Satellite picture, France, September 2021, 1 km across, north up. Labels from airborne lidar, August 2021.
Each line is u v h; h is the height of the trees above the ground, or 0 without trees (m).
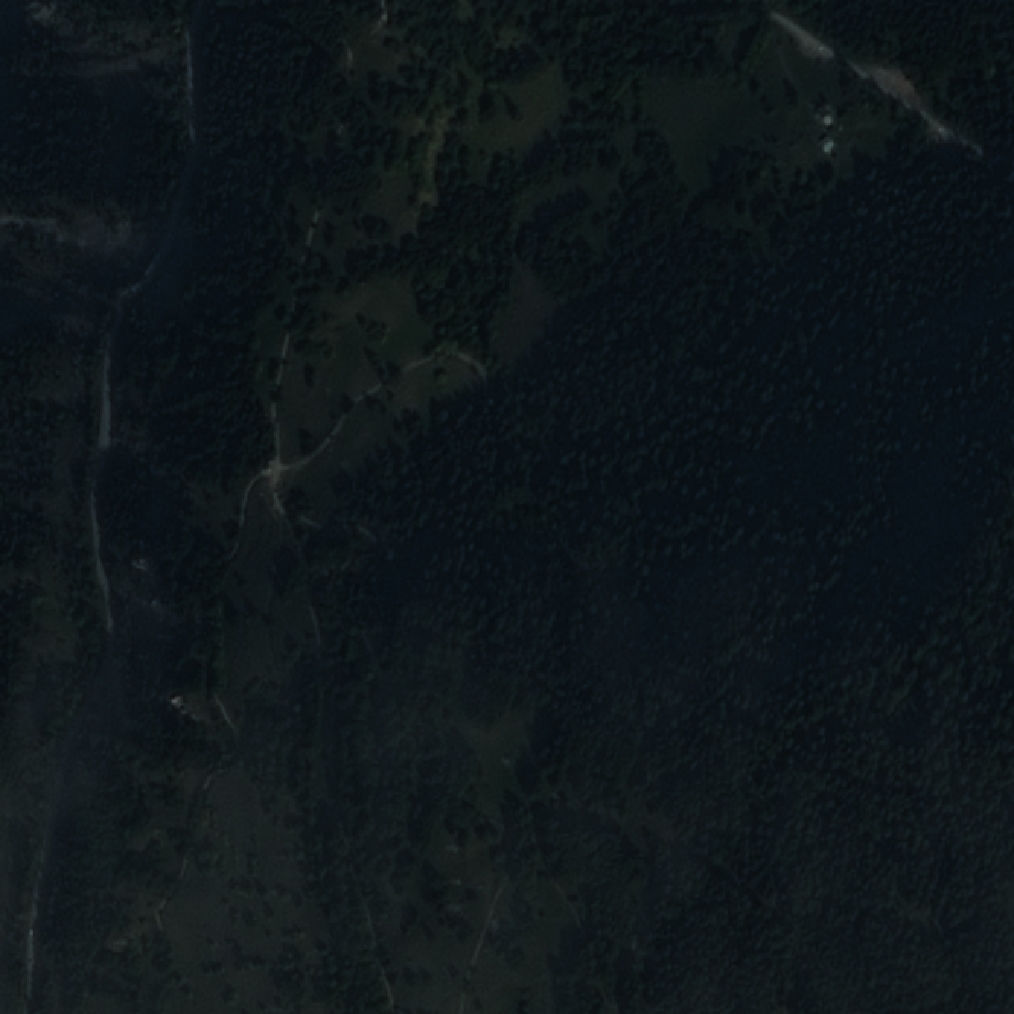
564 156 17
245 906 0
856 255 28
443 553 24
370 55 0
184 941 0
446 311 16
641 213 30
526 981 0
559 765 31
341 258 0
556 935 0
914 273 21
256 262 25
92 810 23
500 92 8
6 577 0
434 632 26
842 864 26
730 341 22
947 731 33
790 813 26
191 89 0
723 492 15
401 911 0
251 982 0
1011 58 29
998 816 26
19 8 7
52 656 0
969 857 26
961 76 11
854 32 28
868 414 25
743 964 22
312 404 0
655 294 21
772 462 10
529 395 10
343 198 24
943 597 27
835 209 11
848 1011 13
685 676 30
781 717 26
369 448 0
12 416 6
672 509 13
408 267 19
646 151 9
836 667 35
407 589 12
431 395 0
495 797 0
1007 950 23
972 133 18
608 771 24
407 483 16
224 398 23
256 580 0
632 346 16
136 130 19
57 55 10
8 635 12
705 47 12
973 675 30
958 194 21
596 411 32
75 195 17
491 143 0
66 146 18
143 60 0
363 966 11
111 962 17
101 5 8
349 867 14
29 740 0
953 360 23
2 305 8
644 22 19
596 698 29
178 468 18
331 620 14
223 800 0
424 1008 0
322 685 18
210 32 25
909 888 26
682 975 18
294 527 9
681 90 0
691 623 33
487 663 15
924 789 28
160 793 6
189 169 0
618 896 25
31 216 6
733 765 27
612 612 12
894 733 0
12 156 22
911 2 23
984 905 25
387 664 21
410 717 9
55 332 10
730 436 17
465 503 15
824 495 11
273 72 35
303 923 0
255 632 0
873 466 25
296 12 27
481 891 0
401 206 0
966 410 18
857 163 0
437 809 22
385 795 18
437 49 21
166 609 12
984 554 25
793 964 8
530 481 7
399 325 0
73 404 5
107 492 21
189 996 10
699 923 25
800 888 26
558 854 23
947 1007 16
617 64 20
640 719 28
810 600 13
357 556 8
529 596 26
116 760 15
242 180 20
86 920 14
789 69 0
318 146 0
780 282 5
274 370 11
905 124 15
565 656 16
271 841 0
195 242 12
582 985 21
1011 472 22
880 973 18
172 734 25
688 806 26
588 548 19
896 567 27
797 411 29
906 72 15
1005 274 12
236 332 25
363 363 0
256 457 11
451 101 8
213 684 15
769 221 15
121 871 20
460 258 10
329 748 18
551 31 8
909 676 33
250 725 11
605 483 13
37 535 11
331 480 0
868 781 29
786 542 32
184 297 20
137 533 18
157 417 9
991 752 30
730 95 0
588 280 24
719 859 25
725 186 16
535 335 0
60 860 13
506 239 20
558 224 29
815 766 27
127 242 0
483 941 0
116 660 26
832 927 10
